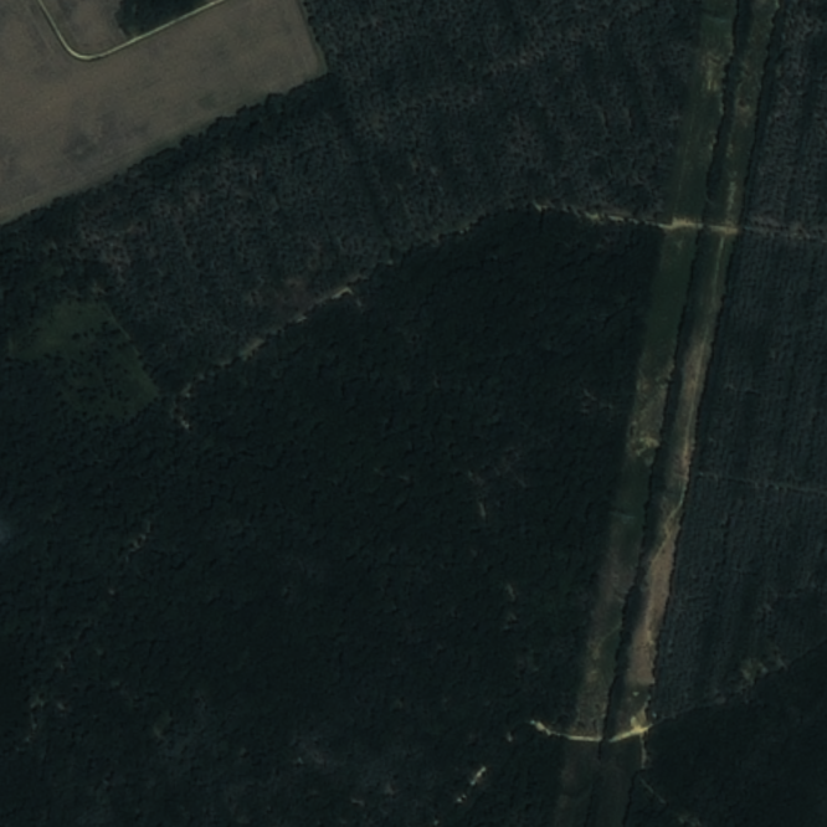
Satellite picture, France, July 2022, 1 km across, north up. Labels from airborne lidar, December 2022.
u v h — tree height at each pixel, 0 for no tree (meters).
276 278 16
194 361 19
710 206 8
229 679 22
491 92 17
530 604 18
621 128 12
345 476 18
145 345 19
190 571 26
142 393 0
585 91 20
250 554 23
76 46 0
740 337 16
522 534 18
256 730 16
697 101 0
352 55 19
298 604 20
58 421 21
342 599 22
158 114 0
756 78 0
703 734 14
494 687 20
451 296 22
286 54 0
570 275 20
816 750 16
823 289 13
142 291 18
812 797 17
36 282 19
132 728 22
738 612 19
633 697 0
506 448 17
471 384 12
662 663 12
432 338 19
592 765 0
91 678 22
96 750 18
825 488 15
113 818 18
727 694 10
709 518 18
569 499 20
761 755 14
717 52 0
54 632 18
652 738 13
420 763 20
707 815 16
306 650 23
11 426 9
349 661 23
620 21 12
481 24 19
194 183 19
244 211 20
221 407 20
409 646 15
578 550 17
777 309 15
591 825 11
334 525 20
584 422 19
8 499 22
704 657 19
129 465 16
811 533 19
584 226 21
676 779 19
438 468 23
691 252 0
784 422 14
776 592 13
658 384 0
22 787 22
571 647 14
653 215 20
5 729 7
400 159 18
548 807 15
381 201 19
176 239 18
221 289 22
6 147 0
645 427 0
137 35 0
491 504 17
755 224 18
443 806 23
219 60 0
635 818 19
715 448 15
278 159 21
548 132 16
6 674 6
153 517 21
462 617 16
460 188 17
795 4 17
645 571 12
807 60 18
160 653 21
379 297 21
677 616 17
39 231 22
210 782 18
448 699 16
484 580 18
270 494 24
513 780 16
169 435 22
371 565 23
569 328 18
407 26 21
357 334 20
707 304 0
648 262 19
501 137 19
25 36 0
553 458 18
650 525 10
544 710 16
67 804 19
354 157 18
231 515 22
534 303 17
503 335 22
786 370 19
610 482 20
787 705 16
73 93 0
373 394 20
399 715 19
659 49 15
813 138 22
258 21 0
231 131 20
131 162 0
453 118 15
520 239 22
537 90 19
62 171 0
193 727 16
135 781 24
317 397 23
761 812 16
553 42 18
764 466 18
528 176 15
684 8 19
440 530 18
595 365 21
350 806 14
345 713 18
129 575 20
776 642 15
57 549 23
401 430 23
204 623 18
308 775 18
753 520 17
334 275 11
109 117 0
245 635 19
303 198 20
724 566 13
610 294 17
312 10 18
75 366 16
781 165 18
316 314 15
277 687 18
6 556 22
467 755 15
